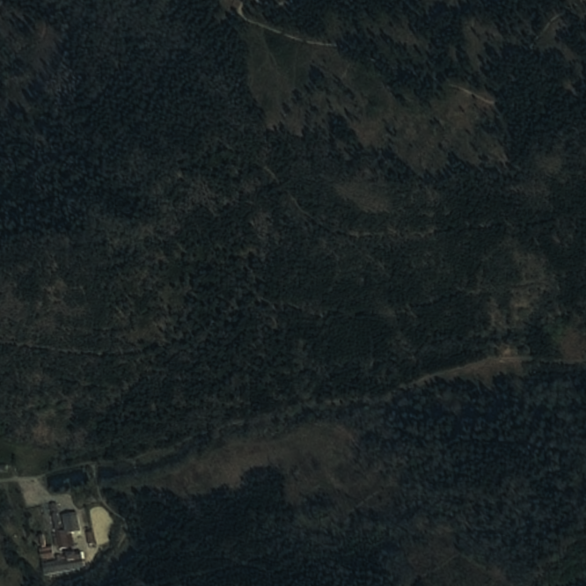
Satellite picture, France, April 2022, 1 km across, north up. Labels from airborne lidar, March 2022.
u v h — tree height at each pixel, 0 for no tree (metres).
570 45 25
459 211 21
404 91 30
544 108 20
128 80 22
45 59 0
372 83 0
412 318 18
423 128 0
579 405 22
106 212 12
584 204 20
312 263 16
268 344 34
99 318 11
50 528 0
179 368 27
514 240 15
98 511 0
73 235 32
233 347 23
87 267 16
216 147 16
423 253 14
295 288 17
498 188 27
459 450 27
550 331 20
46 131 25
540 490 18
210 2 24
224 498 21
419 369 17
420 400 26
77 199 16
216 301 35
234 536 19
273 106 0
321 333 23
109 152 13
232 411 12
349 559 16
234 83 20
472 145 0
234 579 17
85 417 27
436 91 26
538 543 18
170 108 19
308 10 32
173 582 9
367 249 21
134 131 20
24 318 16
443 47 29
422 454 34
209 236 26
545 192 15
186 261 33
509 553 15
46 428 28
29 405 22
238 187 31
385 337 23
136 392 29
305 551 20
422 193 15
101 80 18
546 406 14
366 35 32
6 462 0
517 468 24
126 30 20
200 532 21
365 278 14
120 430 34
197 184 27
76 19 22
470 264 24
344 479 0
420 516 27
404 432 13
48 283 16
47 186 12
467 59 30
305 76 0
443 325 28
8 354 20
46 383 28
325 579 18
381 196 7
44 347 20
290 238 21
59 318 15
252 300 32
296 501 0
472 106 0
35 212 12
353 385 18
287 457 0
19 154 27
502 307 16
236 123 20
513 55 27
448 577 0
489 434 10
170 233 26
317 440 0
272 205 29
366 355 25
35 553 0
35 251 17
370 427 24
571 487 14
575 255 16
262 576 15
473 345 32
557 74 23
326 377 22
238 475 0
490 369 0
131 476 21
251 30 29
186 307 35
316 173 13
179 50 23
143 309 10
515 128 21
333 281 19
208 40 23
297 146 19
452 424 33
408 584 26
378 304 20
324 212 18
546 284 19
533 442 25
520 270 17
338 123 24
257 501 21
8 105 25
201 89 20
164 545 31
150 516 15
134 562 18
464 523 28
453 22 29
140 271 29
